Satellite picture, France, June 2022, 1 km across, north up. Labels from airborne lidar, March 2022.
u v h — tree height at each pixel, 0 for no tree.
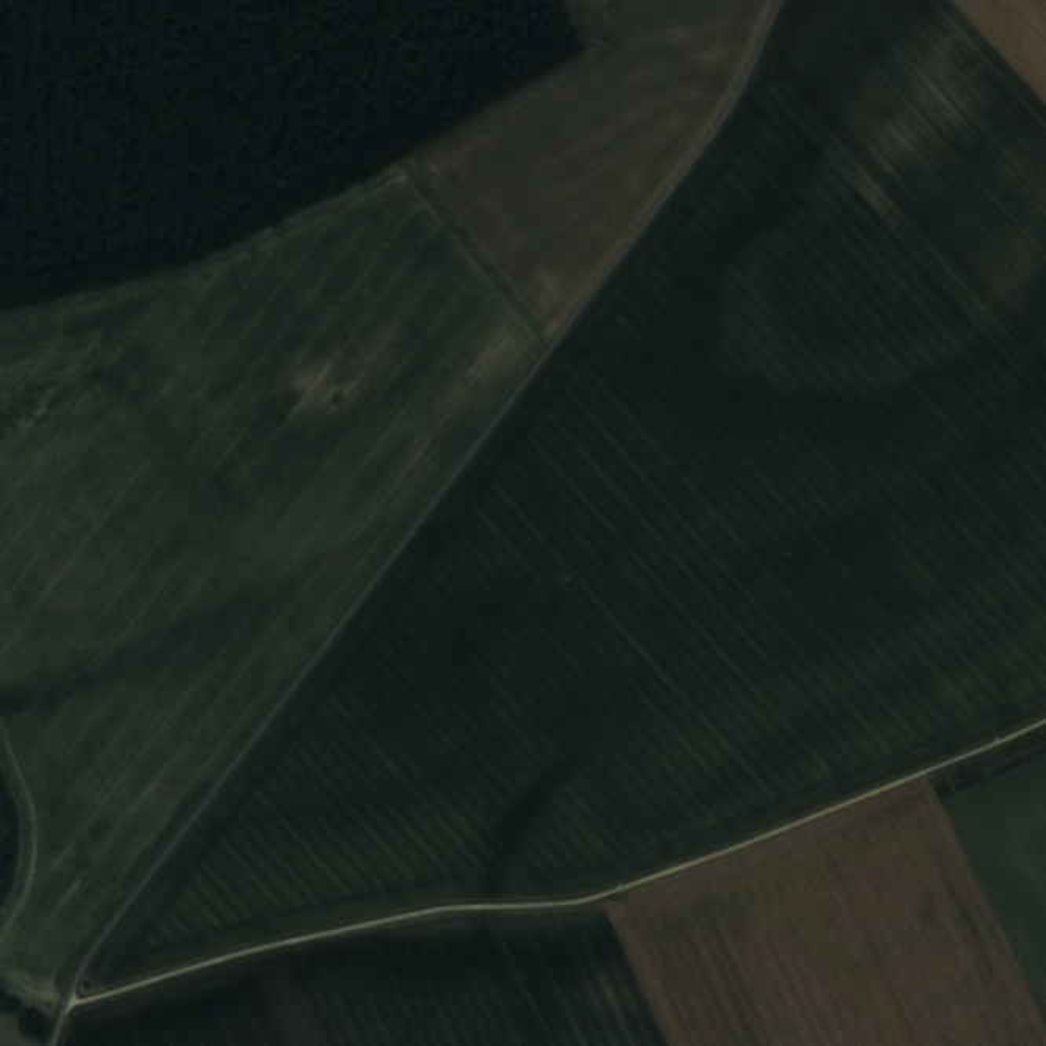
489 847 0
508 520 0
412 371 0
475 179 0
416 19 17
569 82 0
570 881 0
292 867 0
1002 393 0
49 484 0
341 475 0
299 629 0
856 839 0
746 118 0
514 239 0
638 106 0
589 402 0
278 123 17
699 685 0
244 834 0
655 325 0
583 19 0
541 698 0
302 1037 0
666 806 0
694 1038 0
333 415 0
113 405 0
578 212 0
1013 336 0
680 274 0
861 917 0
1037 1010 0
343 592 0
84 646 0
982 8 0
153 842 0
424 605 0
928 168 0
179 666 0
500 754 0
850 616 0
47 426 0
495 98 13
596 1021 0
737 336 0
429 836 0
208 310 0
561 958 0
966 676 0
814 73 0
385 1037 0
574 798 0
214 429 0
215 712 0
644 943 0
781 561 0
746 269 0
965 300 0
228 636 0
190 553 0
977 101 0
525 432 0
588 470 0
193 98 17
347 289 0
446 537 0
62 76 20
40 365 0
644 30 0
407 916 0
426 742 0
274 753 0
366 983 0
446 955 0
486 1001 0
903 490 0
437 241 0
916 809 0
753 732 0
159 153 17
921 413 0
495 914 0
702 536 0
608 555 0
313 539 0
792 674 0
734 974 0
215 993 0
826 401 0
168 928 0
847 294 0
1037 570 0
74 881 0
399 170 0
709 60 0
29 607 0
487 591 0
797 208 0
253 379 0
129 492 0
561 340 0
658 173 0
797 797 0
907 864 0
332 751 0
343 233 0
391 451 0
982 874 0
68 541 0
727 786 0
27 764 0
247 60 23
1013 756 0
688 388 0
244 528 0
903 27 0
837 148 0
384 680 0
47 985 0
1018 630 0
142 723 0
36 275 21
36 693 0
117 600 0
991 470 0
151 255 19
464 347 0
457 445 0
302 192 18
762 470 0
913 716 0
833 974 0
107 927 0
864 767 0
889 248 0
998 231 0
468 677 0
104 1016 0
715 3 0
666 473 0
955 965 0
